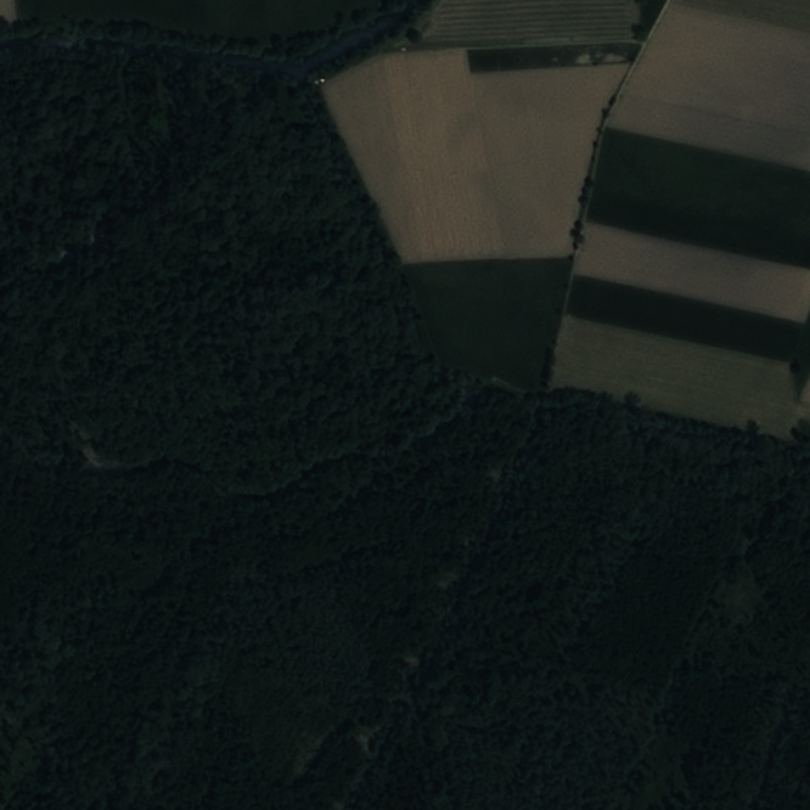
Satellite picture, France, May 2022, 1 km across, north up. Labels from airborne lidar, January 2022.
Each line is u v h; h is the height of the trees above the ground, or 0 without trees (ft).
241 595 91
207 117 121
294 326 110
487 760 84
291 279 39
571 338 0
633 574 69
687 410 0
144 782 96
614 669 73
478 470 70
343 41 0
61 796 68
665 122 0
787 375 0
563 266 0
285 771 0
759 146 0
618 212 0
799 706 72
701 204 0
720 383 0
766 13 0
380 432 46
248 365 103
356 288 90
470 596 90
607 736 84
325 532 70
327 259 63
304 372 66
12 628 76
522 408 49
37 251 102
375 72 0
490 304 0
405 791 24
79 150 111
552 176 0
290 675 85
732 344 0
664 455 81
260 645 81
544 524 63
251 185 102
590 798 78
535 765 82
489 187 0
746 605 0
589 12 0
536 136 0
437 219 0
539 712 89
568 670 76
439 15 0
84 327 0
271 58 31
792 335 0
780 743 79
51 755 82
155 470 64
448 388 45
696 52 0
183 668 92
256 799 68
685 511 70
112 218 85
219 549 75
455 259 0
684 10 0
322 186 114
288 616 94
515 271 0
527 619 97
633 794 84
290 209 106
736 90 0
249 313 120
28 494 65
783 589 71
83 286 119
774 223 0
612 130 0
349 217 74
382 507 82
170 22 0
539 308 0
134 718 73
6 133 108
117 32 72
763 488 69
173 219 102
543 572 51
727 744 68
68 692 70
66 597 23
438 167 0
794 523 102
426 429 83
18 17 0
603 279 0
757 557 64
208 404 84
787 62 0
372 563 72
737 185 0
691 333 0
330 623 60
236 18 0
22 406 89
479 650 95
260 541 79
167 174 116
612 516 87
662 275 0
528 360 0
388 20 0
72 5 0
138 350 91
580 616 90
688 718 63
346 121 0
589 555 94
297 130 60
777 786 72
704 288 0
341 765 64
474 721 84
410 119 0
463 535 77
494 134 0
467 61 0
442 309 0
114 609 67
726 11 0
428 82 0
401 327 111
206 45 44
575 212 0
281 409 102
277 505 74
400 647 78
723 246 0
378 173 0
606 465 65
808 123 0
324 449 75
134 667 61
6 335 99
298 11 0
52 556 62
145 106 0
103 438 89
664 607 65
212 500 71
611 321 0
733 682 54
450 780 63
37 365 109
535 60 0
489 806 83
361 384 89
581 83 0
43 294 110
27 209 111
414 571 73
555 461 68
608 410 113
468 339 0
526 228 0
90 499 64
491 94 0
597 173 0
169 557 53
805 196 0
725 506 71
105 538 66
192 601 61
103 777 72
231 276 71
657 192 0
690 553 74
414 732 98
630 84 0
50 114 98
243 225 99
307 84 44
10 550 63
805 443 63
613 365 0
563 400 71
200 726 59
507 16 0
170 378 86
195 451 73
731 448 94
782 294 0
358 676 57
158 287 89
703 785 84
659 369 0
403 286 61
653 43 0
